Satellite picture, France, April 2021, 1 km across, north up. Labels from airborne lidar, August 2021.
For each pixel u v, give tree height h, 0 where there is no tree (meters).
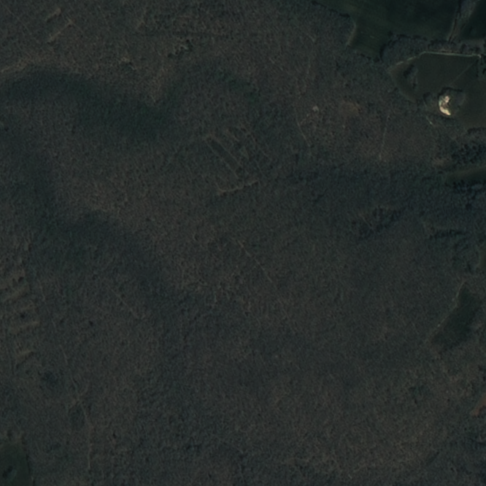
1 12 14
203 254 8
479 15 0
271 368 13
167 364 14
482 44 0
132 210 11
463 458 10
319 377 13
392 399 12
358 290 13
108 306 9
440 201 17
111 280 11
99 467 10
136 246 12
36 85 14
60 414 14
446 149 13
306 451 12
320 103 10
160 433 7
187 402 16
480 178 0
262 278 10
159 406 15
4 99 14
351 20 14
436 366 12
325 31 13
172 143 11
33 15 13
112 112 12
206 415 10
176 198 8
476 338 15
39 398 13
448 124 16
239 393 12
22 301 12
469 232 16
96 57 9
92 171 12
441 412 13
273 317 12
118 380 10
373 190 16
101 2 16
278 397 7
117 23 14
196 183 12
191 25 7
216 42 8
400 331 14
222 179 9
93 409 12
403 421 10
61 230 14
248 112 10
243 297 10
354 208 14
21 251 11
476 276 13
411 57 15
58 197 7
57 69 16
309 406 12
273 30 13
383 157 14
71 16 12
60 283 15
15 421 15
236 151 11
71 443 15
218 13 7
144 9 14
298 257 12
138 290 8
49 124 7
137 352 12
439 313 14
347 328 10
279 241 10
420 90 0
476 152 18
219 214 10
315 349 10
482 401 0
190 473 12
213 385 13
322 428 8
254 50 11
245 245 9
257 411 9
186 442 8
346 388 14
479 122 0
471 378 12
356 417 12
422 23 0
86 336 9
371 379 13
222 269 12
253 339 9
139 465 13
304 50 13
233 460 8
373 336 13
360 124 12
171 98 12
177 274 8
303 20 15
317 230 12
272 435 12
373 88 15
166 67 9
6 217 13
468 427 16
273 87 11
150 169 9
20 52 10
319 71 13
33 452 13
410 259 13
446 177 8
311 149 9
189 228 10
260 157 10
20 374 14
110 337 9
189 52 10
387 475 13
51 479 16
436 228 17
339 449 15
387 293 14
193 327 9
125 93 9
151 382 10
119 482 14
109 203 6
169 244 9
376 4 0
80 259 12
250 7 11
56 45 12
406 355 15
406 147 14
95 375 9
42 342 11
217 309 10
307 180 9
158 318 14
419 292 16
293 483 14
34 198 17
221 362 11
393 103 13
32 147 12
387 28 0
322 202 15
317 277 9
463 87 0
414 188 23
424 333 15
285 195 12
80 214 10
